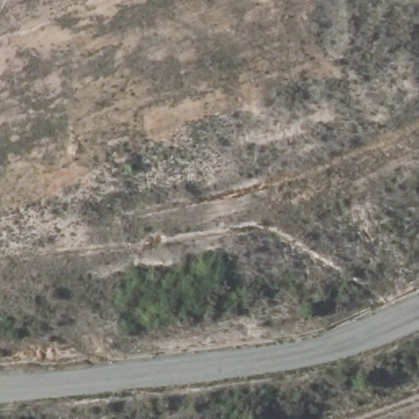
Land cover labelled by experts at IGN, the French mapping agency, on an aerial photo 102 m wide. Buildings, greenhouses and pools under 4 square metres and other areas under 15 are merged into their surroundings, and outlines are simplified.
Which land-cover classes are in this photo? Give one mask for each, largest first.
<instances>
[{"label":"herbaceous vegetation","instance_id":"1","mask_svg":"<svg viewBox=\"0 0 419 419\"><path fill-rule=\"evenodd\" d=\"M18 31L15 26H11L8 10L2 7V0H0V36ZM59 28L69 29L70 33L95 29L93 39L101 38L105 34L126 33L131 29L139 38V43L131 54L124 56L121 64L115 65V54L123 44L97 47L82 52L79 61H72V49H51V56L41 59V52L29 47L25 51H16L10 59H5V72L0 74V178L7 175L8 154L21 157L38 147H44L46 152L43 155V165L56 164L54 157L57 152L67 149V154L74 155L75 164L85 169L100 170L88 200L75 198L64 203L57 196H52L46 203L38 200L29 201L20 209L0 211V375L36 373L38 370L62 372L79 367H101L105 363L124 365L152 362L157 358L195 357L293 344L300 339H319L326 332L336 329L342 322L352 319L363 321L375 316L376 308L381 306L378 301L380 296L393 295L396 290H404L409 282L412 283V291L409 293H414L419 288V262L406 267L408 259L399 252L398 247L391 244L398 234H375L372 229L390 223L386 213L388 209H393L390 201H401L403 196L399 185L408 178L416 180L419 175V0H146L134 5L118 3V13L115 16H79V11H70L69 15L54 20ZM342 34H349V49H345L342 59L334 61V65L340 67V79H314L308 77V70H301L300 77L296 80L286 79L285 72H290L296 65L314 61L316 52L321 51L322 56L327 57L326 47L334 46L336 39ZM51 74L61 77V93L49 98V87L38 92L34 90L33 85L36 80L46 79L47 75ZM187 98L200 101L203 106V118L185 121L187 129L172 134L167 146H164V142L149 139L144 129V111L155 106L173 108ZM252 101H259L260 105L265 106L267 115L273 118V124H278L280 116L286 119V124H300L301 134L268 144H239V136L268 126L264 119L255 118L250 111H242V106ZM246 195L250 198L246 211L214 219L206 218L213 201L223 198L228 201L237 200ZM242 221H257L264 226H277L283 229L291 236L298 237L306 246L319 254L331 257L340 267H344L340 273L319 260L311 259L308 254L293 249L275 232H262L254 226L234 228L224 234L191 237L185 241L162 242L159 237H152L149 244L142 249L123 247V241L137 242L144 239L147 232L160 231L164 232L165 236H175L182 232L218 228L219 223ZM224 250V275L219 278L218 290L211 293V298L216 303L213 318L206 313L203 318L200 314L190 311L187 314L188 322L177 321L167 327L146 326V334L142 337L118 336V319L123 309H119L115 304V291L119 288V282L126 280L124 272L97 278L92 277V270L118 262H123L128 268L136 265L134 257H154L162 260L169 259L170 255L173 264H182V260L188 254ZM255 260H260V267L264 268V272L273 273L275 277L285 270L293 272L295 268H306L308 282L304 286L316 288L313 295L316 303L313 308L308 303L300 304L296 290L285 288L275 295V306H270L267 298H264L255 304L247 318L239 316L221 321L223 314L226 313L224 303L231 298L232 291L242 285L244 278H254ZM340 280L367 286L372 298L365 301L363 309L336 311V303L327 298L324 300V286ZM399 349L398 339L350 357L354 358L355 362H362V367L372 372L375 357L381 354H394ZM319 372L314 370L313 365L283 372L234 376L223 380L108 391L110 398L74 401L75 408L105 406L119 401L137 409L141 408L142 404L151 403V398L187 394V388H200L201 393H211L221 388L242 386H249L250 390L254 391L255 386L270 385L277 390L285 391L300 385L301 381L314 383ZM412 394H419V378H412L408 385L396 386L390 396H368L365 398L368 403L365 406L352 403L349 396L329 399L327 404L331 406V411L324 412L322 419H350L360 416L363 412L411 398ZM363 419H419V408H412L404 416L398 417L391 416V409H386V412Z\"/></svg>","mask_w":419,"mask_h":419},{"label":"brushwood","instance_id":"2","mask_svg":"<svg viewBox=\"0 0 419 419\"><path fill-rule=\"evenodd\" d=\"M403 196L401 201H390L393 209H388L386 213L390 223L372 229L375 234H398L391 244L398 247L399 252L408 259L406 267L419 262V175L416 180L408 178L399 185ZM224 250L188 254L182 260V264H173L169 267L136 265L128 268L124 272L126 280L119 282V288L115 291V304L119 309H123L118 319V336L142 337L146 334V326L167 327L177 321L188 322L187 314L190 311L200 314L203 318L206 313L213 318L216 303L211 298V293L218 290L219 278L224 275ZM308 282L306 268H295L293 272L285 270L275 277L273 273L264 272V268L260 267V260H255L254 278H244L242 285L232 291L231 298L224 303L226 313L223 314L221 321L239 316L247 318L255 304L264 298H267L270 306H275V295L285 288L296 290L300 304L308 303L313 308L316 303L313 295L316 288L304 286ZM327 298L336 303V311L363 309L365 301L372 298L367 286L340 280L324 286V300ZM399 349L394 354H381L375 357L372 372L362 367V362H355L354 358L350 357L313 365L314 370L319 372L314 383L301 381L300 385L285 391L277 390L270 385L255 386L254 391L250 390L249 386H242L221 388L211 393H201L200 388H187V394L151 398V403L142 404L141 408L137 409L119 401L105 406L75 408L74 401L110 398L108 391L0 403V419H322L324 412L331 411V406L327 404L329 399L349 396L352 403L365 406L368 403L365 398L368 396H390L396 386L408 385L412 378H419V337L414 340H409L406 336L398 339Z\"/></svg>","mask_w":419,"mask_h":419},{"label":"pervious surface","instance_id":"3","mask_svg":"<svg viewBox=\"0 0 419 419\"><path fill-rule=\"evenodd\" d=\"M146 0H2V7L8 10L11 26H15L18 31L0 36V74L5 72V59H10L16 51H25L29 47L41 52V59L51 56V49H72V61H79L82 52L97 47L123 44L115 54V65L121 64L124 56L131 54L139 43V38L131 29L126 33L105 34L101 38L93 39L95 29L70 33L69 29L59 28L54 20L69 15L70 11H79V16H115L118 13V3L134 5ZM327 57L322 56L321 51L316 52L314 61L296 65L290 72H285L286 79L296 80L300 77L301 70H308V77L314 79H340V67L334 65V61L342 59L345 49H349V34H342L336 39L334 46L326 47ZM34 90L38 92L49 87V98L61 93V77L51 74L47 75L46 79L36 80L33 85ZM203 118V106L200 101L187 98L173 108L155 106L144 111V129L149 139L164 142V146H167L172 134L187 129L185 121ZM242 111H250L255 118L264 119L268 126L239 136V144H268L301 134L300 124H286V119L280 116L278 124H273V118L267 115L265 106L260 105L259 101H252L242 106ZM46 152L44 147H38L21 157L8 154L7 175L0 178V211L20 209L29 201L38 200L46 203L52 196H57L64 203L75 198L88 200L100 170L85 169L75 164L74 155L67 154V149L57 152L54 157L56 164L43 165V155ZM250 198L246 195L237 200L228 201L223 198L213 201L206 218L214 219L246 211ZM254 226L262 232H275L293 249L308 254L311 259L319 260L340 273L344 267H340L331 257L319 254L306 246L298 237L291 236L283 229L277 226H264L257 221H242L219 223L218 228L182 232L175 236H165L164 232L160 231L147 232L144 239L137 242L123 241V247L142 249L149 244L152 237H159L162 242L185 241L191 237L224 234L234 228ZM136 265L169 267L173 264L170 255L169 259L162 260L154 257H134ZM128 268L123 262H118L92 270V277L97 278L124 272ZM412 408H419V394H412L411 398L363 412L360 416L350 419H363L386 412V409H391V416L398 417L404 416Z\"/></svg>","mask_w":419,"mask_h":419},{"label":"impervious surface","instance_id":"4","mask_svg":"<svg viewBox=\"0 0 419 419\"><path fill-rule=\"evenodd\" d=\"M412 291V283L409 282L404 290H396L393 295L380 296L378 301L381 306L376 308L375 316L363 321L352 319L342 322L336 329L326 332L319 339H300L293 344L195 357L157 358L152 362L124 365L105 363L101 367H79L62 372L38 370L36 373L0 375V403L108 391L223 380L234 376L283 372L313 365L350 357L406 336L409 340H414L419 337V288L414 293H409Z\"/></svg>","mask_w":419,"mask_h":419}]
</instances>
